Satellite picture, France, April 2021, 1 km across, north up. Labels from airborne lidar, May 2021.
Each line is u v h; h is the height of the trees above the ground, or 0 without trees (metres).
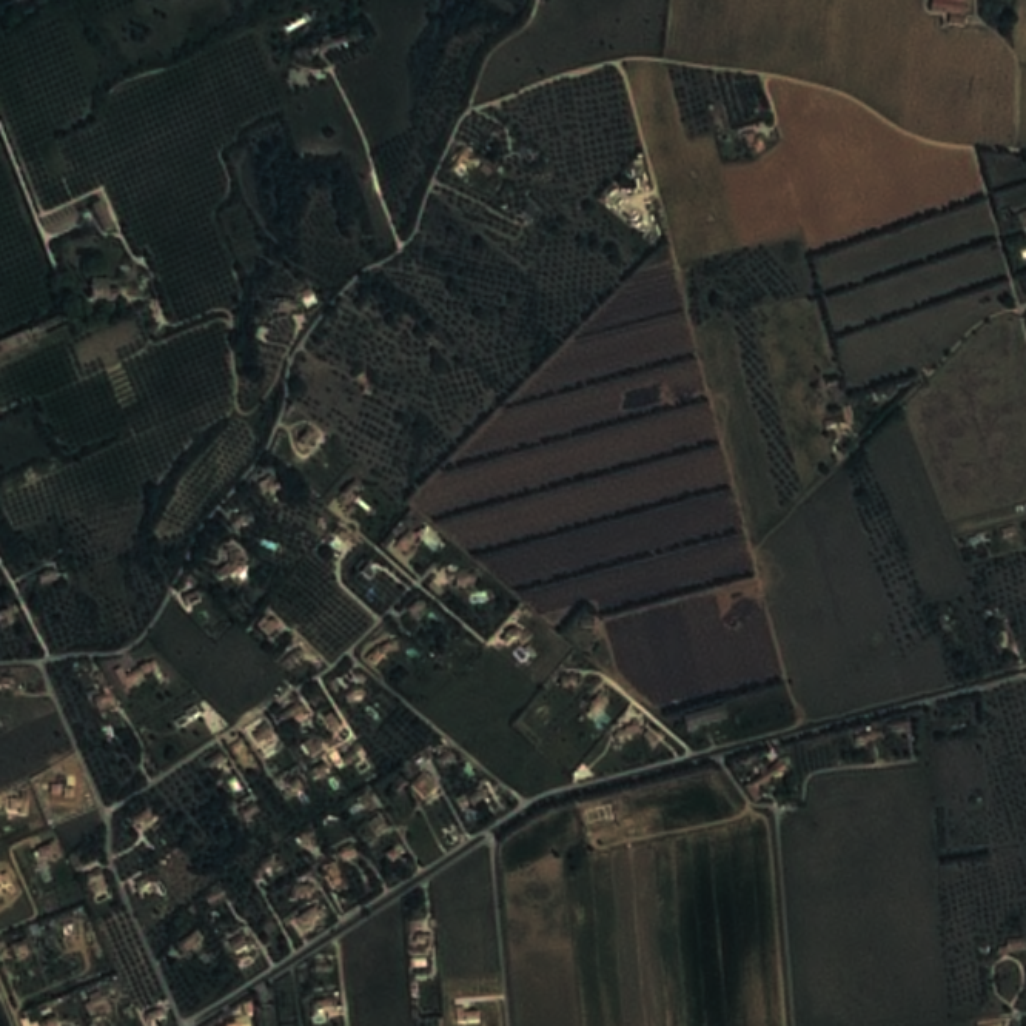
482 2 9
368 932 0
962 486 0
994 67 0
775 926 0
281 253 11
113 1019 0
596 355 0
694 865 0
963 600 6
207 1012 0
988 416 0
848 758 8
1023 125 0
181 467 6
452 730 0
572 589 0
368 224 8
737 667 0
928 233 0
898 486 0
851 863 0
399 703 5
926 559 0
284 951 9
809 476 0
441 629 10
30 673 0
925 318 0
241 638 0
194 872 7
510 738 0
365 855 9
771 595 0
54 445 8
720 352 0
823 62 0
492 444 0
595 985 0
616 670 0
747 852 0
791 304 0
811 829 0
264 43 0
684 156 0
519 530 0
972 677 7
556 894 0
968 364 0
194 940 0
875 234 11
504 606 7
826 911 0
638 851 0
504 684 0
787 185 0
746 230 0
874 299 0
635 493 0
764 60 0
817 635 0
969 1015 0
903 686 0
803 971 0
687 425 0
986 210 0
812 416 0
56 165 0
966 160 0
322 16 8
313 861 8
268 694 0
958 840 0
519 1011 0
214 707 0
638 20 0
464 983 0
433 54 6
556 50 0
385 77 0
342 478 0
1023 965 0
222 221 6
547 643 0
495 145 7
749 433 0
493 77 0
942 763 0
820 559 0
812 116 0
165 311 8
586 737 6
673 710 10
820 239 0
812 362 0
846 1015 0
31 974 0
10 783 0
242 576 0
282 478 10
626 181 8
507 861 0
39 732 0
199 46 6
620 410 0
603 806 0
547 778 0
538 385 0
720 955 0
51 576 0
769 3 0
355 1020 0
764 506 0
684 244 0
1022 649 0
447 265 9
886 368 0
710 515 0
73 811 0
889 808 0
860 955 0
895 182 0
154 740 6
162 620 0
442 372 7
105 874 6
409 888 0
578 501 0
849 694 0
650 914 0
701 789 0
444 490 0
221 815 9
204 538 11
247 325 6
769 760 6
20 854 0
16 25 8
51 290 8
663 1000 0
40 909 0
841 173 0
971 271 0
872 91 0
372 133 0
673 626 0
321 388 0
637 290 0
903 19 0
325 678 6
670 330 0
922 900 0
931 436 0
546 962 0
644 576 0
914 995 0
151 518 6
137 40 8
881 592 0
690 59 0
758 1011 0
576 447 0
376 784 9
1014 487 0
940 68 0
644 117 0
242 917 8
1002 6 11
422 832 0
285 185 9
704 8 0
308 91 6
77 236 8
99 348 0
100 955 0
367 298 11
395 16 0
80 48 0
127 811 8
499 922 0
